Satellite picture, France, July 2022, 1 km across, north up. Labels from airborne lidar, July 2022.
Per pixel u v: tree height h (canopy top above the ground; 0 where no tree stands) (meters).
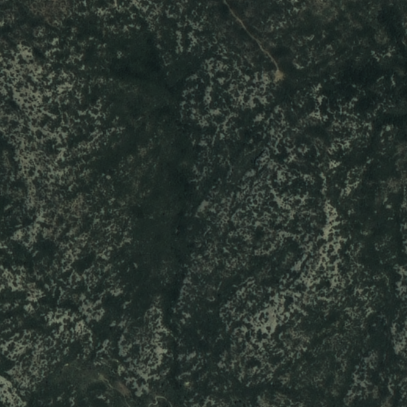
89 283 0
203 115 0
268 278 0
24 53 0
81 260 0
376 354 0
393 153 0
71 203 0
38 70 0
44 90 0
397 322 0
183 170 7
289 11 0
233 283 0
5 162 0
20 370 0
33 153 0
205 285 0
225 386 0
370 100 6
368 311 0
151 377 0
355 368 0
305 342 0
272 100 0
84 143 0
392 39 7
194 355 0
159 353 0
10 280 0
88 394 0
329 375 0
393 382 0
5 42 0
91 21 6
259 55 0
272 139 0
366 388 0
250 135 6
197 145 6
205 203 0
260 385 0
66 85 0
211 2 0
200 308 0
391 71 7
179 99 6
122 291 0
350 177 0
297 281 0
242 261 0
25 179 0
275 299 0
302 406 0
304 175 0
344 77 8
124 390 0
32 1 0
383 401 0
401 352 0
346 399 0
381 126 6
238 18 0
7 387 0
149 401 0
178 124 7
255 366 0
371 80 6
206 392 0
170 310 9
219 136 0
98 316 0
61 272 0
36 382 0
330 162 0
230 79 0
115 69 6
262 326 0
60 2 0
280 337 0
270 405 0
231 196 0
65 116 0
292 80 0
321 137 0
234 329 0
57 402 0
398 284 0
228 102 7
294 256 0
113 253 0
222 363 0
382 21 7
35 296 0
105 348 0
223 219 0
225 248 0
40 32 0
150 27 0
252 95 0
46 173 0
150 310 0
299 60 0
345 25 7
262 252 0
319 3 0
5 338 0
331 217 0
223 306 0
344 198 0
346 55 0
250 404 0
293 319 0
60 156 0
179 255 6
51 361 0
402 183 0
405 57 7
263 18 0
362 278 0
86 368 0
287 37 0
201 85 6
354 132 0
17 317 0
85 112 0
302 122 0
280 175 0
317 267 0
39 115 0
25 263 9
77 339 0
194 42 0
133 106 6
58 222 0
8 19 0
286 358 0
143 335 0
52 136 0
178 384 7
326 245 0
